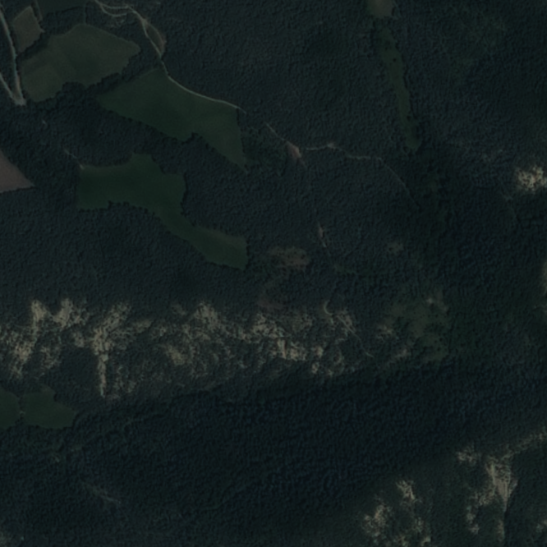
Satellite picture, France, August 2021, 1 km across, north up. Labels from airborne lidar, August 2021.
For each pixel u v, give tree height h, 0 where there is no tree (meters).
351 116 7
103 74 0
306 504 29
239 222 12
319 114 8
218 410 17
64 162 13
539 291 12
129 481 17
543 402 16
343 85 12
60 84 0
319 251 10
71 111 21
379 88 12
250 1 10
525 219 17
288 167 11
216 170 9
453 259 15
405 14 11
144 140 11
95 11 7
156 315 8
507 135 11
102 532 13
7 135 22
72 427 7
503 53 10
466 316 15
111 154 10
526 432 11
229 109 0
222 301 8
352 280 13
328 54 12
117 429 15
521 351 9
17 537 14
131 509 16
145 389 6
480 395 15
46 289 8
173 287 15
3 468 16
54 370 7
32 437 19
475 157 6
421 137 14
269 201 11
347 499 21
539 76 24
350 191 9
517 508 8
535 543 11
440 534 11
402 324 9
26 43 0
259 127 12
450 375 24
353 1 11
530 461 16
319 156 10
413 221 25
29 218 10
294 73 13
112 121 12
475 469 9
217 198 11
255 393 14
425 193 22
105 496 8
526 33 14
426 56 9
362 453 21
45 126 10
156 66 9
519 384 17
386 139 9
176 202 0
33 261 13
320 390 19
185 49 10
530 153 8
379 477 16
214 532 10
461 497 13
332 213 12
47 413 0
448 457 15
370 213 12
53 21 10
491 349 16
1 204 12
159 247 10
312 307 9
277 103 9
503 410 15
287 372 10
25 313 6
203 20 8
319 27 9
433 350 7
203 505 17
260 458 23
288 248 9
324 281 11
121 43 0
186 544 18
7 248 14
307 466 28
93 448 13
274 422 26
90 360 7
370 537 11
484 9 11
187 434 17
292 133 10
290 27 7
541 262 14
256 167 8
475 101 10
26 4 10
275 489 17
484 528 11
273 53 8
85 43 0
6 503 8
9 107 15
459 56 6
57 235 9
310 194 10
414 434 25
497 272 21
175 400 17
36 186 7
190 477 25
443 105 9
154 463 22
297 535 12
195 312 7
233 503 14
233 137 0
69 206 18
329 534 11
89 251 17
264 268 11
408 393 19
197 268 10
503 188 12
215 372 10
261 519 12
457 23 9
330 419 24
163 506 7
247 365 6
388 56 0
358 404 23
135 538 13
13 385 8
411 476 10
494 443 9
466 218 21
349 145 8
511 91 16
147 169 0
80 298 9
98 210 9
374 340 9
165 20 8
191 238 0
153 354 9
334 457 27
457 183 17
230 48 9
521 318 9
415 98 15
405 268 9
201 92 6
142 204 0
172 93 0
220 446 23
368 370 15
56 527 14
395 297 10
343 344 8
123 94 0
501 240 12
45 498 15
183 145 14
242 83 8
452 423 22
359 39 7
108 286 8
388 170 12
